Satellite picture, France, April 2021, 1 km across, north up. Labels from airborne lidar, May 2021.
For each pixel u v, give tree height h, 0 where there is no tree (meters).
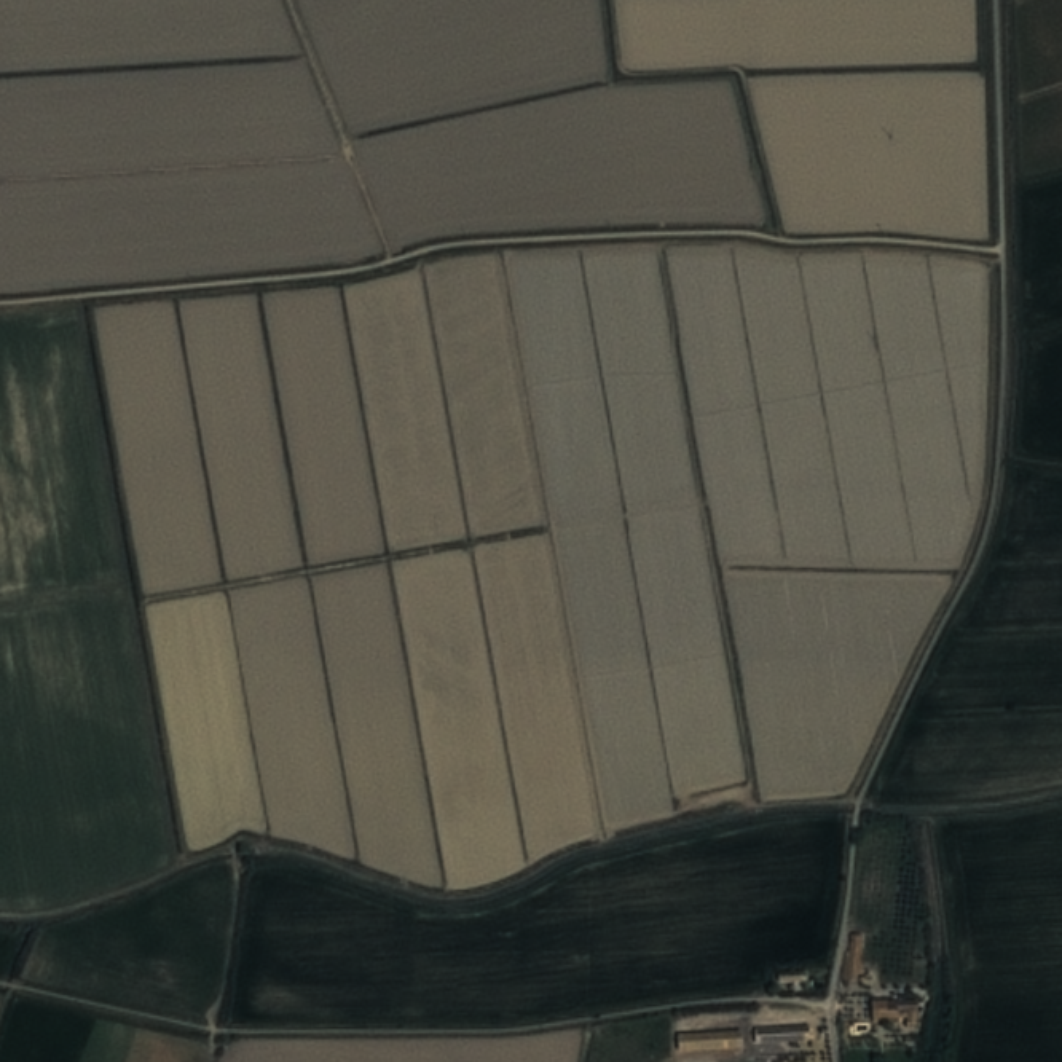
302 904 0
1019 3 0
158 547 0
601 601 0
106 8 0
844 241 0
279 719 0
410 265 0
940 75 0
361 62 0
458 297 0
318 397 0
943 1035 7
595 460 0
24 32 0
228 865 0
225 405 0
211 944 0
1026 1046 0
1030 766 0
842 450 0
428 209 0
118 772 0
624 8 0
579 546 0
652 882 0
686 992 0
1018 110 0
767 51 0
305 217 0
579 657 0
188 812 0
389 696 0
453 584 0
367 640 0
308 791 0
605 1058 0
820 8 0
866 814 6
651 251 0
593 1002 0
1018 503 0
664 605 0
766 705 0
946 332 0
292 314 0
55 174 0
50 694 0
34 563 0
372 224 0
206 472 0
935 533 0
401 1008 0
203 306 0
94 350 0
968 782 0
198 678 0
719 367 0
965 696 0
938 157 0
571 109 0
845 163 0
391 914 0
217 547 0
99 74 0
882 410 0
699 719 0
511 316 0
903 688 0
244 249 0
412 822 0
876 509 0
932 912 6
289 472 0
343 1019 0
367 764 0
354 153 0
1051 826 0
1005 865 0
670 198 0
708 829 0
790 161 0
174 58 0
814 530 0
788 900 0
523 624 0
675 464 0
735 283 0
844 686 0
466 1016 0
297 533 0
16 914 0
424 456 0
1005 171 0
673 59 0
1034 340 0
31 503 0
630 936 0
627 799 0
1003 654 0
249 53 0
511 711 0
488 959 0
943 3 0
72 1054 0
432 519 0
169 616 0
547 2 0
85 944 0
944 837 0
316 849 0
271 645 0
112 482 0
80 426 0
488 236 0
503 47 0
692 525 0
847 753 0
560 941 0
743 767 0
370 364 0
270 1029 0
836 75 0
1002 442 0
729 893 0
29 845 0
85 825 0
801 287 0
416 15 0
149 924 0
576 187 0
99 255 0
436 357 0
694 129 0
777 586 0
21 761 0
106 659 0
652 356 0
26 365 0
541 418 0
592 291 0
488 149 0
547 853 0
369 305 0
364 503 0
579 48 0
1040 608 0
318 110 0
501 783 0
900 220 0
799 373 0
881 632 0
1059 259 0
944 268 0
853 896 0
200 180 0
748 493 0
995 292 0
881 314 0
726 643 0
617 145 0
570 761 0
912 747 0
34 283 0
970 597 0
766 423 0
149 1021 0
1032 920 0
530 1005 0
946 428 0
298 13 0
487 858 0
